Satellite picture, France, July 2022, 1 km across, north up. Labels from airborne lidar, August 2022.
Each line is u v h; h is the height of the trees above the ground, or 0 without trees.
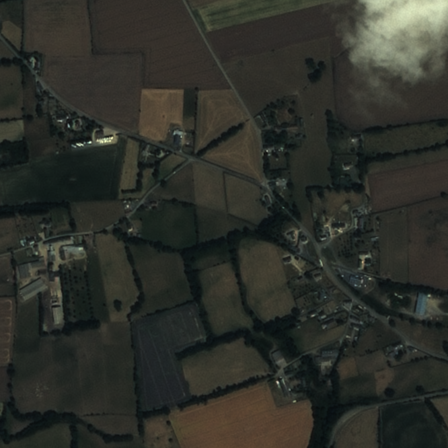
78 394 0
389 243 0
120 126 0
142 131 0
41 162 0
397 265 0
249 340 16
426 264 0
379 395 0
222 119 0
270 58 0
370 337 0
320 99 0
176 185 0
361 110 0
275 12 0
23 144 7
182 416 0
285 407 0
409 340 0
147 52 0
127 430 0
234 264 12
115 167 0
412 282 0
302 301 0
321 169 0
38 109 12
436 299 0
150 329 0
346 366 0
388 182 0
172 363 0
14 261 12
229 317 0
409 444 0
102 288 0
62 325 0
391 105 0
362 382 0
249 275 0
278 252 0
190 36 0
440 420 11
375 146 0
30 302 0
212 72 0
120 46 0
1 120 7
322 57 0
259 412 0
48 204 11
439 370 0
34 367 0
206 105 0
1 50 0
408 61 0
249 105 0
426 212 0
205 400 19
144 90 0
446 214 0
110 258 0
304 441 0
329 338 0
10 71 0
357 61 0
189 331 0
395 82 0
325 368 0
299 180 0
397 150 0
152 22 0
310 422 0
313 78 18
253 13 0
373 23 0
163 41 0
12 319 0
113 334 0
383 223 0
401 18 0
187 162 0
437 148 8
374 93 0
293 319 13
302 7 0
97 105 0
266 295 0
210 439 0
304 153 0
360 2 0
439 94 0
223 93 0
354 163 0
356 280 0
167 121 0
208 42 0
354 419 0
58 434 0
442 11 0
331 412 16
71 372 0
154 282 0
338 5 0
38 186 0
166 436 0
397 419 0
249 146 0
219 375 0
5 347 0
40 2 0
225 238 11
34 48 0
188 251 16
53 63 0
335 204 0
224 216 0
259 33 0
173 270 0
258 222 0
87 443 0
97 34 0
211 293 0
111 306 0
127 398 0
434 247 0
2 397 0
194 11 0
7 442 18
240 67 0
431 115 0
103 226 0
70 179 0
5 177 0
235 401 0
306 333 0
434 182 0
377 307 0
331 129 18
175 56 0
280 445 0
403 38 0
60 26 0
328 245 0
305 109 0
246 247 0
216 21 0
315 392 0
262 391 0
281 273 0
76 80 0
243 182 0
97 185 0
